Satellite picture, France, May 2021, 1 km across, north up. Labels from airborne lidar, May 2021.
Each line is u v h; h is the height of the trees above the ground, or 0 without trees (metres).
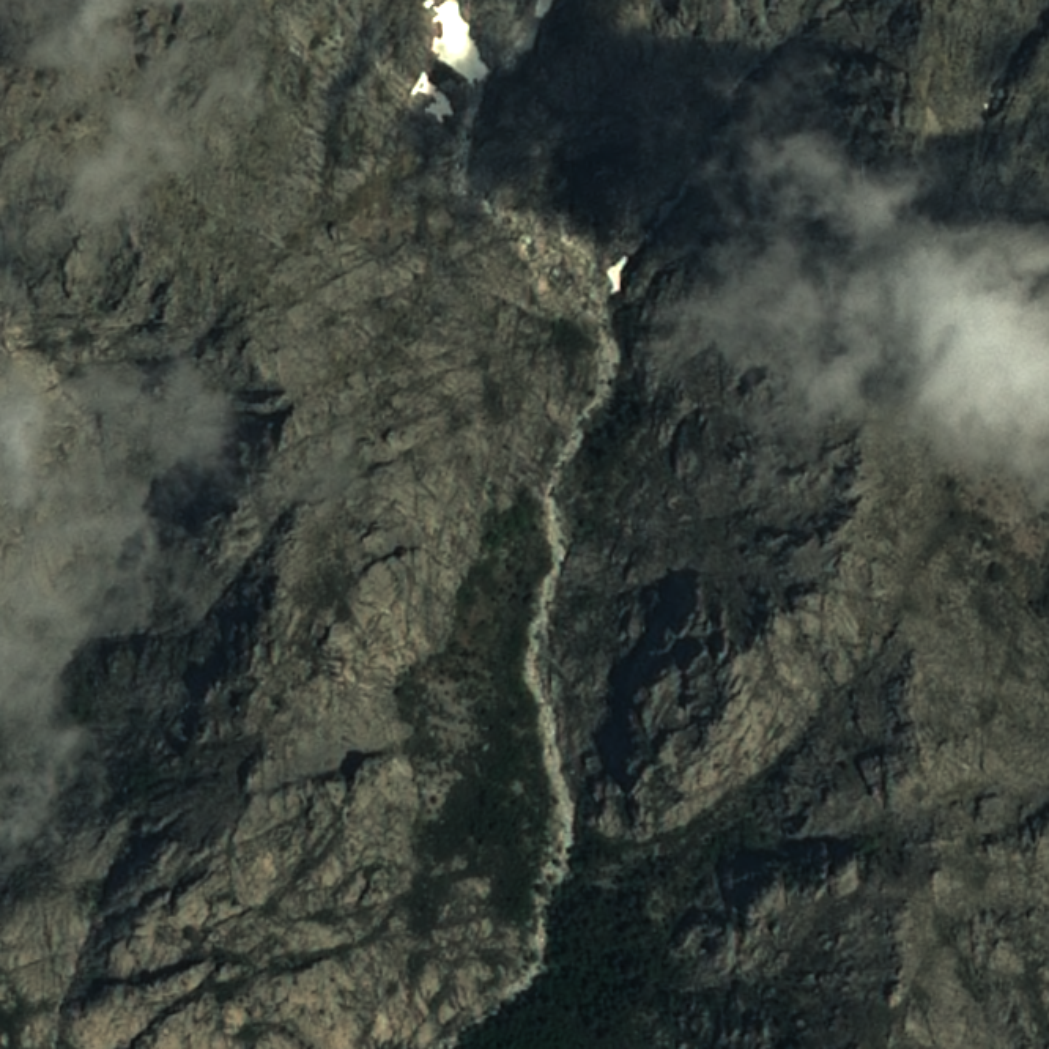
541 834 8
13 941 0
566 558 0
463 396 0
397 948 0
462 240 0
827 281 0
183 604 0
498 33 0
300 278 0
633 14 0
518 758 11
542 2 0
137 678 0
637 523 0
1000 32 0
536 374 0
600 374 0
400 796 0
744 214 0
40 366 0
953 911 0
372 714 0
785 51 0
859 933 0
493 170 0
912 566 0
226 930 0
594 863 13
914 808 0
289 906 0
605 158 13
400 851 0
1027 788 0
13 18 0
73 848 0
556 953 12
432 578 0
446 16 0
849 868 0
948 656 0
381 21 0
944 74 0
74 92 0
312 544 0
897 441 0
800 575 0
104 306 8
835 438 0
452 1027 18
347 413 0
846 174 0
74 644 0
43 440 0
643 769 0
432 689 0
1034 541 0
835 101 9
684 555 0
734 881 0
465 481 0
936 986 0
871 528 0
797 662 0
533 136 0
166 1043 0
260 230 0
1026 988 0
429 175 0
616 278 0
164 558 8
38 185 0
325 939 0
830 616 0
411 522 0
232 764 0
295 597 0
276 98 0
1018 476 0
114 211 0
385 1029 0
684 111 0
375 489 0
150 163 0
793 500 0
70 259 0
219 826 0
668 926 9
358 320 0
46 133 0
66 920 0
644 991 26
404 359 0
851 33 0
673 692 0
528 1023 7
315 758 0
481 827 15
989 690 0
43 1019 0
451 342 0
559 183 9
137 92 0
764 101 0
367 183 0
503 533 10
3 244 0
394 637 0
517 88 0
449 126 0
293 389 0
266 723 0
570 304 0
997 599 0
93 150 0
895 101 0
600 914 8
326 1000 0
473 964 0
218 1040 0
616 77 0
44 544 0
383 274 0
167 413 0
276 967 8
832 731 0
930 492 0
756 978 8
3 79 0
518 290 0
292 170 0
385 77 0
